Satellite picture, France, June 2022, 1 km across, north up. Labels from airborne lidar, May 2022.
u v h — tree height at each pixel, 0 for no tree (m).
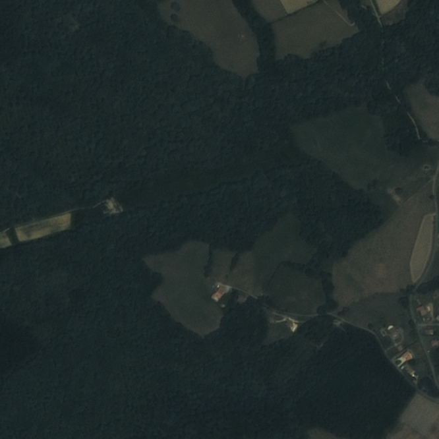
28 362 12
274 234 0
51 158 0
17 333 16
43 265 20
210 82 6
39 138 24
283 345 16
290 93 11
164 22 19
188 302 0
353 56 19
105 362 27
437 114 0
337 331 13
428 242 0
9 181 8
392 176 0
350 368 16
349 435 6
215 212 22
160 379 23
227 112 20
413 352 0
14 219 11
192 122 15
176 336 7
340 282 0
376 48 21
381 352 14
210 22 0
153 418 26
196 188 0
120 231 16
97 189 23
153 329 19
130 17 15
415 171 0
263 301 9
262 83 23
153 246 20
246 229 12
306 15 0
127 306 16
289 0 0
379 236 0
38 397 18
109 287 19
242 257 0
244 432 30
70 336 17
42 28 15
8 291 10
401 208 0
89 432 21
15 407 17
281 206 18
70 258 19
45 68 23
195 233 24
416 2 9
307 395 11
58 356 25
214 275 0
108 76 16
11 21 19
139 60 22
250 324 23
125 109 18
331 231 8
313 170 8
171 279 0
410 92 0
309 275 15
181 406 30
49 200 27
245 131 21
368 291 0
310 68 20
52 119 12
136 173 21
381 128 0
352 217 11
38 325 9
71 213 0
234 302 12
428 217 0
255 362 14
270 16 0
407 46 21
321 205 17
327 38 0
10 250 16
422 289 6
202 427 27
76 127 14
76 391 29
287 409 8
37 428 27
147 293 20
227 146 11
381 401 11
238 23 0
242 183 20
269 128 14
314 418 26
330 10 0
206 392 23
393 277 0
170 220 17
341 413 11
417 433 0
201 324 0
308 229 25
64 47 17
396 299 0
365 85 13
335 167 0
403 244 0
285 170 17
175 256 0
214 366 14
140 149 14
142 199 0
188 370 17
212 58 20
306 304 0
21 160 23
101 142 20
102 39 20
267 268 0
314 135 0
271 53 20
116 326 23
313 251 0
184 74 20
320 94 21
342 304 0
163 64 14
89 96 12
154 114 16
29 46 19
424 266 0
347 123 0
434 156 0
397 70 15
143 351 21
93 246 27
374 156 0
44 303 6
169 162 25
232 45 0
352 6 18
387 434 0
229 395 26
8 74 19
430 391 7
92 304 19
